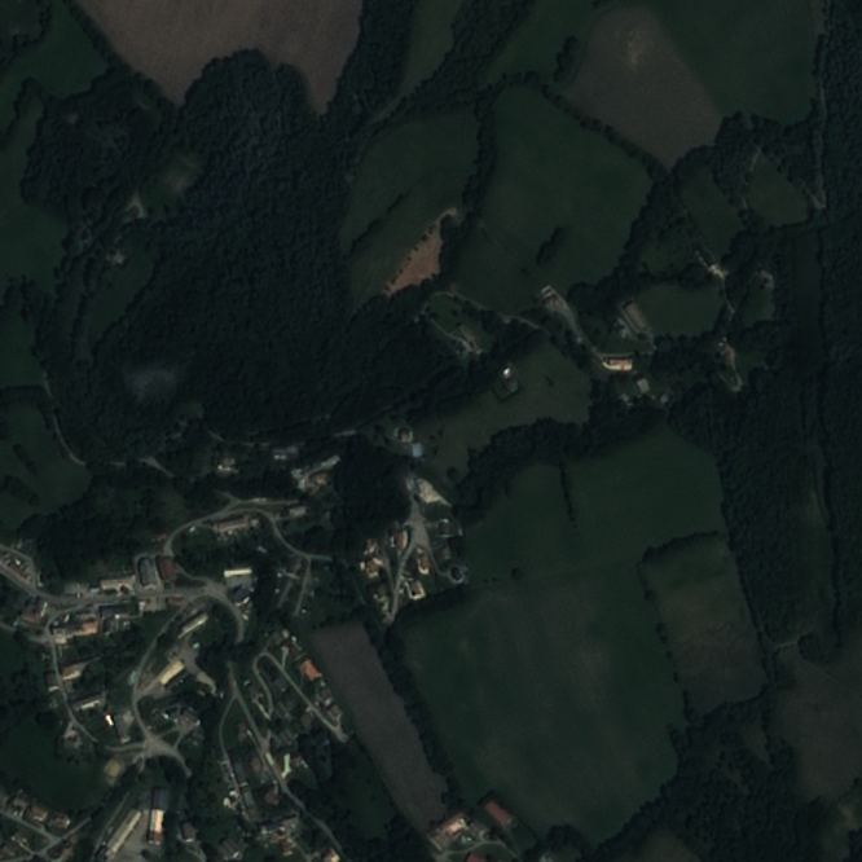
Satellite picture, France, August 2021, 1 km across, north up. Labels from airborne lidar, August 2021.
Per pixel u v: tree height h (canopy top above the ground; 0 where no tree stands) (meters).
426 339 11
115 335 13
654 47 0
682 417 20
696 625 0
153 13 0
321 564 8
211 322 16
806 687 0
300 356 25
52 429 12
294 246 28
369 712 0
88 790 0
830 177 14
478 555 0
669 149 0
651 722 0
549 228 0
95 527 17
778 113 0
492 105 14
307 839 10
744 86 0
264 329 20
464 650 0
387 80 18
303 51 0
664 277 7
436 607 11
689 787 22
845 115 16
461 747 0
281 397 19
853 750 0
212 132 22
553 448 30
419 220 0
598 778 0
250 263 8
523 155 0
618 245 0
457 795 15
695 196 0
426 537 0
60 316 13
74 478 0
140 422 22
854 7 6
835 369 26
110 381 15
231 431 17
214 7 0
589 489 0
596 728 0
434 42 0
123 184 19
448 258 16
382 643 19
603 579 0
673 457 0
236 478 12
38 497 14
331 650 0
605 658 0
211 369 18
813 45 0
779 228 13
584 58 0
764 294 0
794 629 8
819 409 8
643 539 0
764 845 14
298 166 14
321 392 20
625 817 0
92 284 17
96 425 12
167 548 0
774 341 21
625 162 0
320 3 0
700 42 0
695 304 0
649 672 0
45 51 0
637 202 0
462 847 0
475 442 0
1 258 0
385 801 0
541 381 0
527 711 0
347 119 14
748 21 0
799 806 11
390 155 0
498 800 11
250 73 17
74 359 11
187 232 22
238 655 21
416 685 15
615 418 20
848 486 23
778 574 21
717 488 0
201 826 20
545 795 0
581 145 0
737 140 21
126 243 9
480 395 16
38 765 0
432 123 0
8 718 24
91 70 0
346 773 14
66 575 17
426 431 0
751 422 21
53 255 0
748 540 23
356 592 14
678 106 0
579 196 0
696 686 0
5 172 0
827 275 11
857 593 21
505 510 0
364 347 30
